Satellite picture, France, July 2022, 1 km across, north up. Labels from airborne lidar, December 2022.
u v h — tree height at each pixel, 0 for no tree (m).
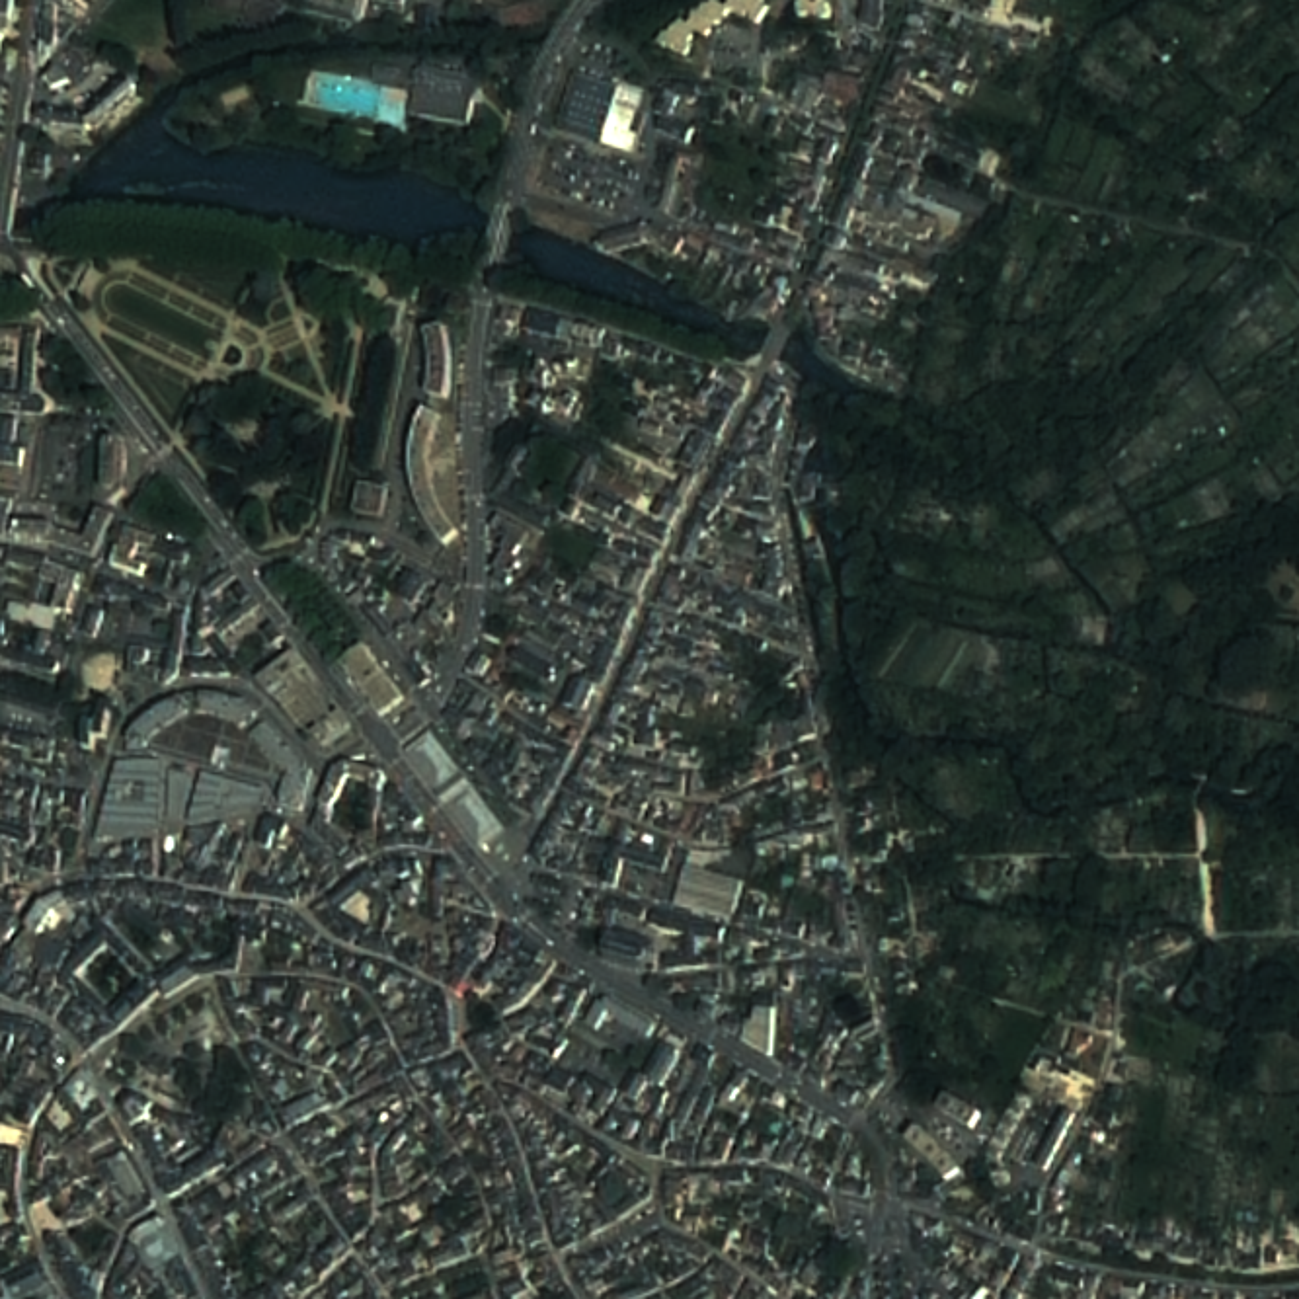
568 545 0
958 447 6
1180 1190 0
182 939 8
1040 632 6
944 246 0
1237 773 17
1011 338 8
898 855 10
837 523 8
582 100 0
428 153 21
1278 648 34
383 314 35
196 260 37
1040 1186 0
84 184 0
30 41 0
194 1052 13
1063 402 15
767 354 0
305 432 28
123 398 0
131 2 0
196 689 0
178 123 11
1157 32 8
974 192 6
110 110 0
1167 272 0
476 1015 12
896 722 8
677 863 0
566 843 0
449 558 0
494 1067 0
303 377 16
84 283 0
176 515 14
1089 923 16
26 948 0
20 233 10
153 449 0
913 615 11
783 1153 0
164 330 0
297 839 0
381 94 0
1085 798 15
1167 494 7
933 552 9
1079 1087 0
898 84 0
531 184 0
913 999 5
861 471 11
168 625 10
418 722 0
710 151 9
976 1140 0
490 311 0
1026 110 0
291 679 0
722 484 0
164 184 0
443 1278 11
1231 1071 16
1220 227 8
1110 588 0
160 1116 0
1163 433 0
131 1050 14
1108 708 8
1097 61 0
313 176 0
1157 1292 0
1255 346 0
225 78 12
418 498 0
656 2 19
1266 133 12
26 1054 0
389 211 0
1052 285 0
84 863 0
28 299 34
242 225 37
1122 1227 0
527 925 0
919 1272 0
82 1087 0
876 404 11
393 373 32
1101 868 10
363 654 0
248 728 0
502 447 10
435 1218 17
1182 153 7
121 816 0
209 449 26
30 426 0
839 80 0
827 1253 14
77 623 0
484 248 11
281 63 23
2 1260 14
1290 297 0
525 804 0
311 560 0
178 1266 0
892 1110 0
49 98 0
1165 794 9
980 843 8
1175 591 0
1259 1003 19
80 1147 0
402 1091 0
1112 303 6
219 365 0
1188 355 14
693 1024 0
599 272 0
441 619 0
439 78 0
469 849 0
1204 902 0
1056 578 0
